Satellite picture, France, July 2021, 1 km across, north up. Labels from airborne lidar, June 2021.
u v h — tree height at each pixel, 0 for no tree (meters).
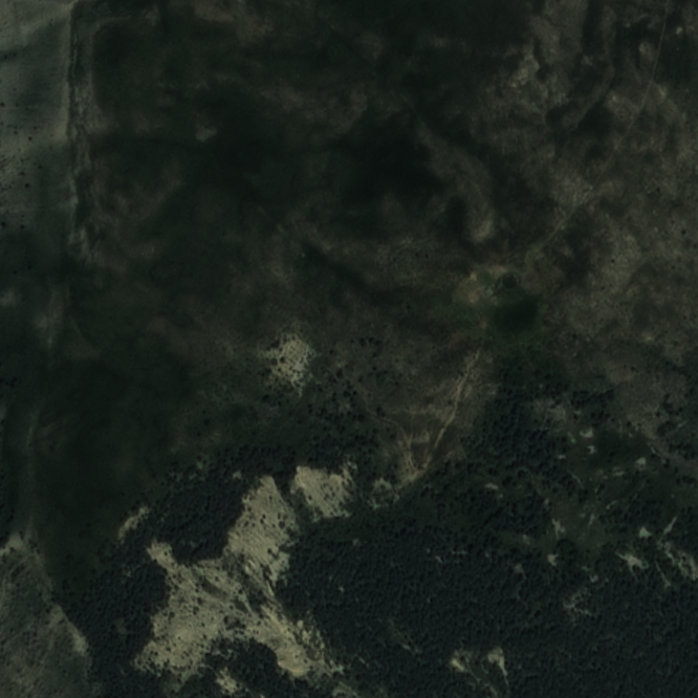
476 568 15
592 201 0
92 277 0
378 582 12
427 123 0
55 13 0
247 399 0
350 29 0
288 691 14
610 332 0
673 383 0
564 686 13
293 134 0
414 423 0
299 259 0
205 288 0
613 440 0
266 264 0
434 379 0
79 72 0
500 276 0
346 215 0
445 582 14
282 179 0
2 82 0
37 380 0
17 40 0
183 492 7
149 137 0
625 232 0
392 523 6
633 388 0
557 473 12
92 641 7
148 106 0
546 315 0
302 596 13
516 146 0
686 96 0
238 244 0
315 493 0
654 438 0
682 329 0
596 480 0
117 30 0
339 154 0
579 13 0
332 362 0
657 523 13
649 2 0
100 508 0
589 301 0
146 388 0
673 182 0
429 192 0
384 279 0
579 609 8
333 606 12
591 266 0
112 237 0
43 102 0
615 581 11
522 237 0
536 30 0
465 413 0
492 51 0
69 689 0
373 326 0
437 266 0
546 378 7
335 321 0
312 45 0
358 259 0
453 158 0
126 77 0
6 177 0
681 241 0
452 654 10
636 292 0
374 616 12
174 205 0
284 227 0
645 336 0
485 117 0
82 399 0
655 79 0
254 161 0
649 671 12
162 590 12
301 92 0
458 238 0
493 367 0
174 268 0
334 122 0
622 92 0
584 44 0
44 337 0
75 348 0
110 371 0
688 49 0
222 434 0
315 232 0
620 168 0
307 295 0
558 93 0
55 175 0
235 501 14
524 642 11
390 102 0
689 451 10
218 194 0
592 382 0
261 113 0
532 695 15
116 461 0
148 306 0
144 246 0
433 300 0
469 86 0
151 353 0
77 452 0
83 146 0
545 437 11
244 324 0
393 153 0
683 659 17
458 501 7
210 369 0
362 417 10
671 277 0
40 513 0
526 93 0
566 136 0
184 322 0
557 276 0
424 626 14
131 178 0
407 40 0
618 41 0
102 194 0
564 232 0
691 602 13
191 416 0
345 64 0
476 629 11
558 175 0
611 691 12
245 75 0
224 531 12
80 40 0
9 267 0
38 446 0
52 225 0
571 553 11
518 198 0
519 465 13
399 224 0
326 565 8
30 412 0
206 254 0
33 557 0
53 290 0
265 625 0
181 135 0
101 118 0
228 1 0
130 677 10
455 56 0
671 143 0
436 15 0
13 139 0
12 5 0
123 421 0
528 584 14
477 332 0
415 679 17
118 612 11
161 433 0
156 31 0
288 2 0
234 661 7
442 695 10
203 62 0
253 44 0
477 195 0
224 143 0
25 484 0
